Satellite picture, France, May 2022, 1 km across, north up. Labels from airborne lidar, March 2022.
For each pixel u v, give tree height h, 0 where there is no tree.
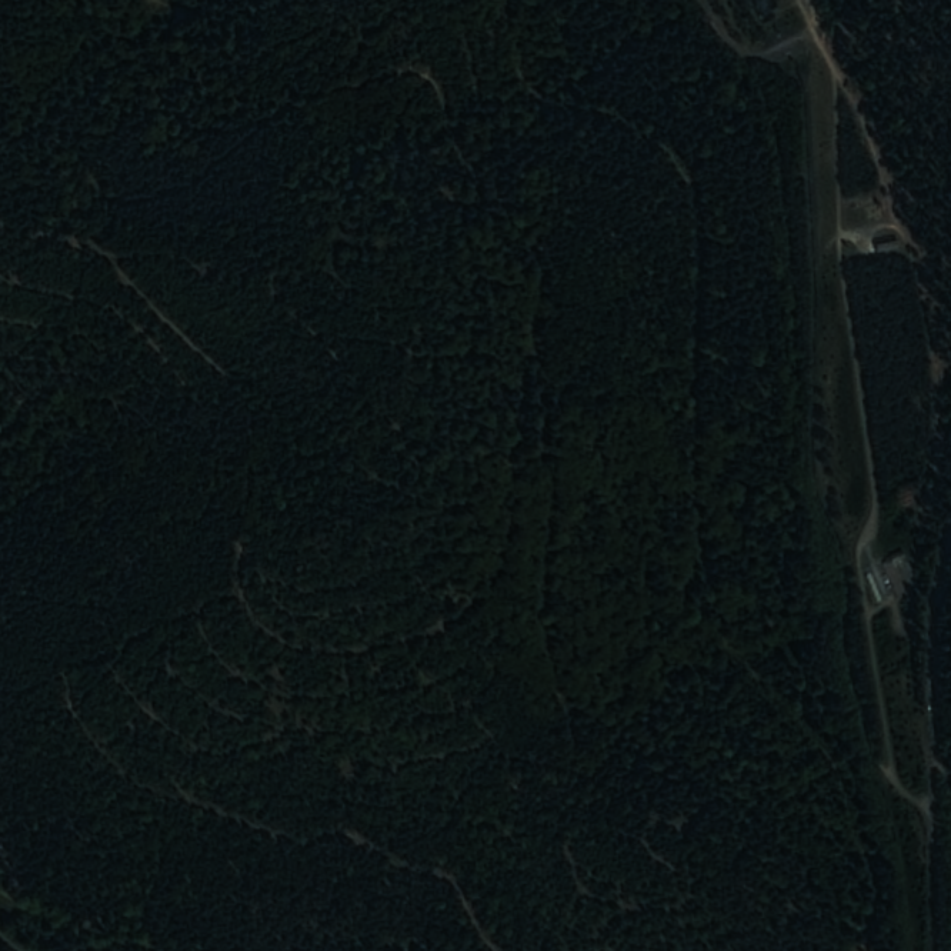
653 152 30
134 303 16
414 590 9
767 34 11
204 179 18
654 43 31
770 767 30
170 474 18
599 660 27
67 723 19
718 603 28
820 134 0
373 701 9
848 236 0
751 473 22
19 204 21
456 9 15
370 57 11
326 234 19
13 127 16
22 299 9
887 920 24
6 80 21
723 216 32
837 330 0
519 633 19
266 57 14
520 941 20
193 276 8
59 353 12
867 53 11
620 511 23
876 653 0
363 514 17
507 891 14
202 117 19
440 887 28
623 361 21
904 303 20
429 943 32
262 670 13
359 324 14
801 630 19
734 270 35
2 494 26
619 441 28
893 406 19
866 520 0
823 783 13
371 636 7
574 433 27
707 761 28
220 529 22
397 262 11
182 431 23
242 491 17
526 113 30
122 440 21
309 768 16
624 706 31
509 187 34
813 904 28
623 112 29
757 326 34
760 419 21
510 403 24
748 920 31
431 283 19
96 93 28
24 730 16
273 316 13
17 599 19
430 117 17
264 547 17
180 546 20
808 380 15
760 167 26
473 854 21
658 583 32
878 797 15
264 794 16
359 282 12
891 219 0
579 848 10
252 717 16
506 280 24
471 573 19
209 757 11
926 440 18
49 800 20
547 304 20
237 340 9
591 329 20
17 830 26
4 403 24
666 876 8
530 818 18
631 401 26
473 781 11
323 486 15
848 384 0
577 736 22
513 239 31
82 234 17
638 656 30
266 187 22
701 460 23
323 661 12
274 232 17
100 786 12
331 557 11
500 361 22
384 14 7
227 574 22
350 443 19
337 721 11
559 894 9
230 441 25
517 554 27
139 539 22
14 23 20
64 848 23
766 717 18
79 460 26
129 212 25
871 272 13
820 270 0
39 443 14
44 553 21
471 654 14
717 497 31
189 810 12
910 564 0
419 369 22
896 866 19
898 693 0
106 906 27
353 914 22
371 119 14
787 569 22
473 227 32
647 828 17
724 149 34
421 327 15
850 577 14
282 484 15
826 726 14
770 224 15
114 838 11
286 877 25
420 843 18
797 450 19
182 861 22
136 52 23
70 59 22
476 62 12
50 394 29
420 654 11
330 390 21
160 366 12
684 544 29
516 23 14
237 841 19
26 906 21
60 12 18
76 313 11
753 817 38
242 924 19
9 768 21
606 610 25
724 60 29
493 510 22
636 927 20
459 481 26
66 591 17
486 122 33
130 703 13
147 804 7
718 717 16
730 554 25
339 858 29
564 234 23
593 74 37
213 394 17
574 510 25
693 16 19
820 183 0
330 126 16
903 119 37
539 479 27
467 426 31
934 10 35
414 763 12
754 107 21
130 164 31
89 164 30
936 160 29
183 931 25
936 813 13
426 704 9
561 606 26
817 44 0
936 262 10
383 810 22
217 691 12
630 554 23
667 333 27
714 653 31
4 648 17
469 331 26
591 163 30
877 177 12
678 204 33
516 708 17
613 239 25
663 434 27
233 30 14
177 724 8
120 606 20
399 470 16
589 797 21
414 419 13
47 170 21
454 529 23
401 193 34
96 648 14
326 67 12
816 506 17
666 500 28
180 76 19
